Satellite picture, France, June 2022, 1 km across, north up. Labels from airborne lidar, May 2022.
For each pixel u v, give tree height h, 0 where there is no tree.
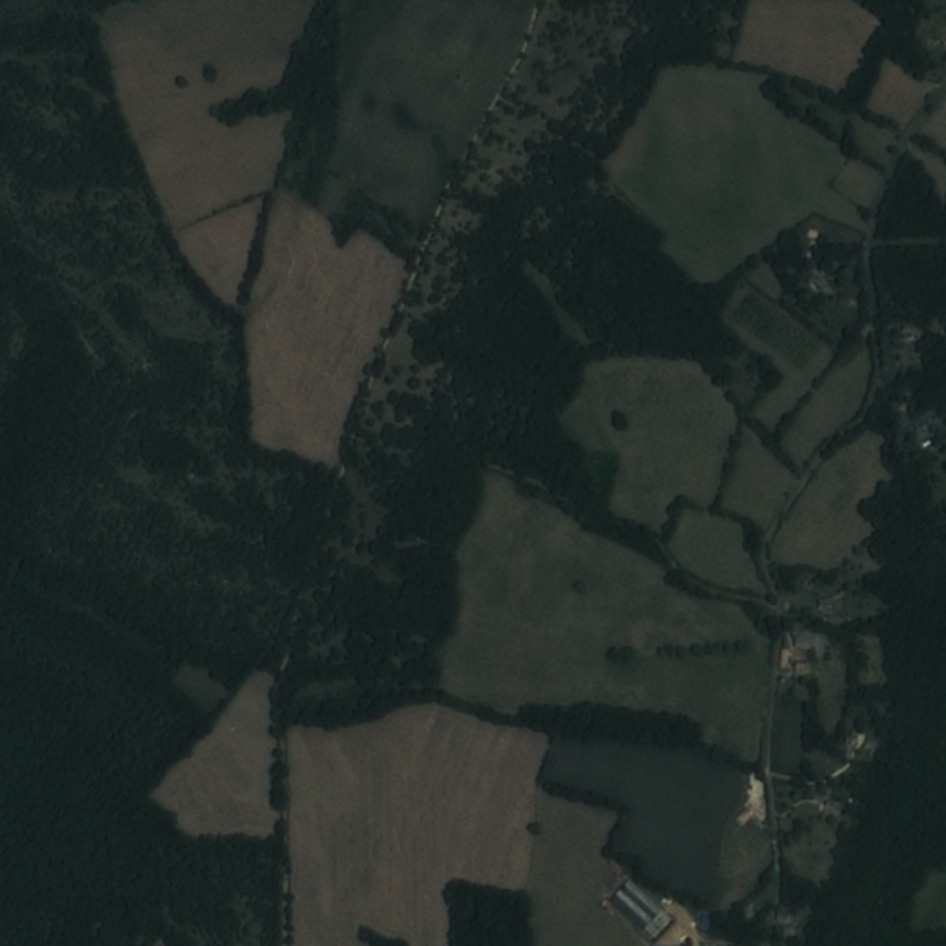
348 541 9
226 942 8
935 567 9
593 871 0
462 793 0
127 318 11
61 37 6
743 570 0
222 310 6
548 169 7
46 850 14
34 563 11
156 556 6
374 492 6
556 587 0
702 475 0
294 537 13
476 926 15
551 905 0
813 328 8
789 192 0
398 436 8
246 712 0
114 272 7
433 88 0
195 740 8
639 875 7
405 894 0
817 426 0
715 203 0
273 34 0
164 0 0
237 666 11
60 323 13
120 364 6
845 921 10
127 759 10
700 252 0
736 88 0
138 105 0
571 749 0
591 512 9
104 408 7
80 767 10
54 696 9
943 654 20
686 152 0
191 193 0
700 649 11
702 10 13
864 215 8
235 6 0
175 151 0
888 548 15
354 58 0
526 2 0
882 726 8
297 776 0
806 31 0
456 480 16
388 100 0
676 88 0
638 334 14
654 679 0
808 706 12
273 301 0
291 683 12
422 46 0
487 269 13
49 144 8
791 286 10
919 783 12
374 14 0
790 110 8
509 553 0
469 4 0
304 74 14
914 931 14
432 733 0
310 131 8
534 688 0
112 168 11
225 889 7
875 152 0
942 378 14
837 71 0
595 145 14
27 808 6
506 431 12
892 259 13
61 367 17
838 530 0
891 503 16
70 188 10
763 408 0
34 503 8
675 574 11
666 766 0
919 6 12
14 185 7
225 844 7
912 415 13
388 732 0
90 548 8
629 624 0
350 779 0
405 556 11
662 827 0
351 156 0
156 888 9
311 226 0
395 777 0
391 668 11
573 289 15
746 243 0
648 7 13
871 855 11
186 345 8
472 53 0
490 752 0
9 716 10
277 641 9
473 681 0
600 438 0
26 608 12
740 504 0
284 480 6
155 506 8
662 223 0
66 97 12
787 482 0
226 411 9
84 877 13
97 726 9
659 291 18
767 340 0
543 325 16
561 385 13
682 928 0
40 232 7
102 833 12
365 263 0
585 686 0
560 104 7
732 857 0
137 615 11
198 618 9
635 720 17
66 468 8
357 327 0
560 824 0
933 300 12
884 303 10
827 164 0
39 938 11
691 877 0
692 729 15
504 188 8
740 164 0
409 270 9
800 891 6
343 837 0
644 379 0
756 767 9
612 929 0
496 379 17
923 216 14
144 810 17
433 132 0
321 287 0
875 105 0
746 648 11
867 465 0
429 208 0
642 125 0
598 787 0
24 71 15
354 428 12
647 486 0
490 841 0
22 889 12
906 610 17
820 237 9
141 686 10
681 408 0
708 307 16
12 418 14
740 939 12
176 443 12
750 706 0
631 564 0
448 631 14
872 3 15
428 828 0
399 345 0
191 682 0
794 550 0
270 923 10
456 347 15
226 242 0
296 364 0
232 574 7
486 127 8
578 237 12
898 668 16
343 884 0
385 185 0
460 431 12
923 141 15
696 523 0
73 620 14
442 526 16
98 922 10
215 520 6
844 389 0
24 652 8
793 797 11
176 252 9
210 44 0
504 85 7
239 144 0
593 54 9
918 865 17
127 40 0
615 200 10
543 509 0
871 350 8
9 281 10
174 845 9
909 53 18
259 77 0
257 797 0
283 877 9
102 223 8
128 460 8
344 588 12
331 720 16
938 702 12
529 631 0
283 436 0
